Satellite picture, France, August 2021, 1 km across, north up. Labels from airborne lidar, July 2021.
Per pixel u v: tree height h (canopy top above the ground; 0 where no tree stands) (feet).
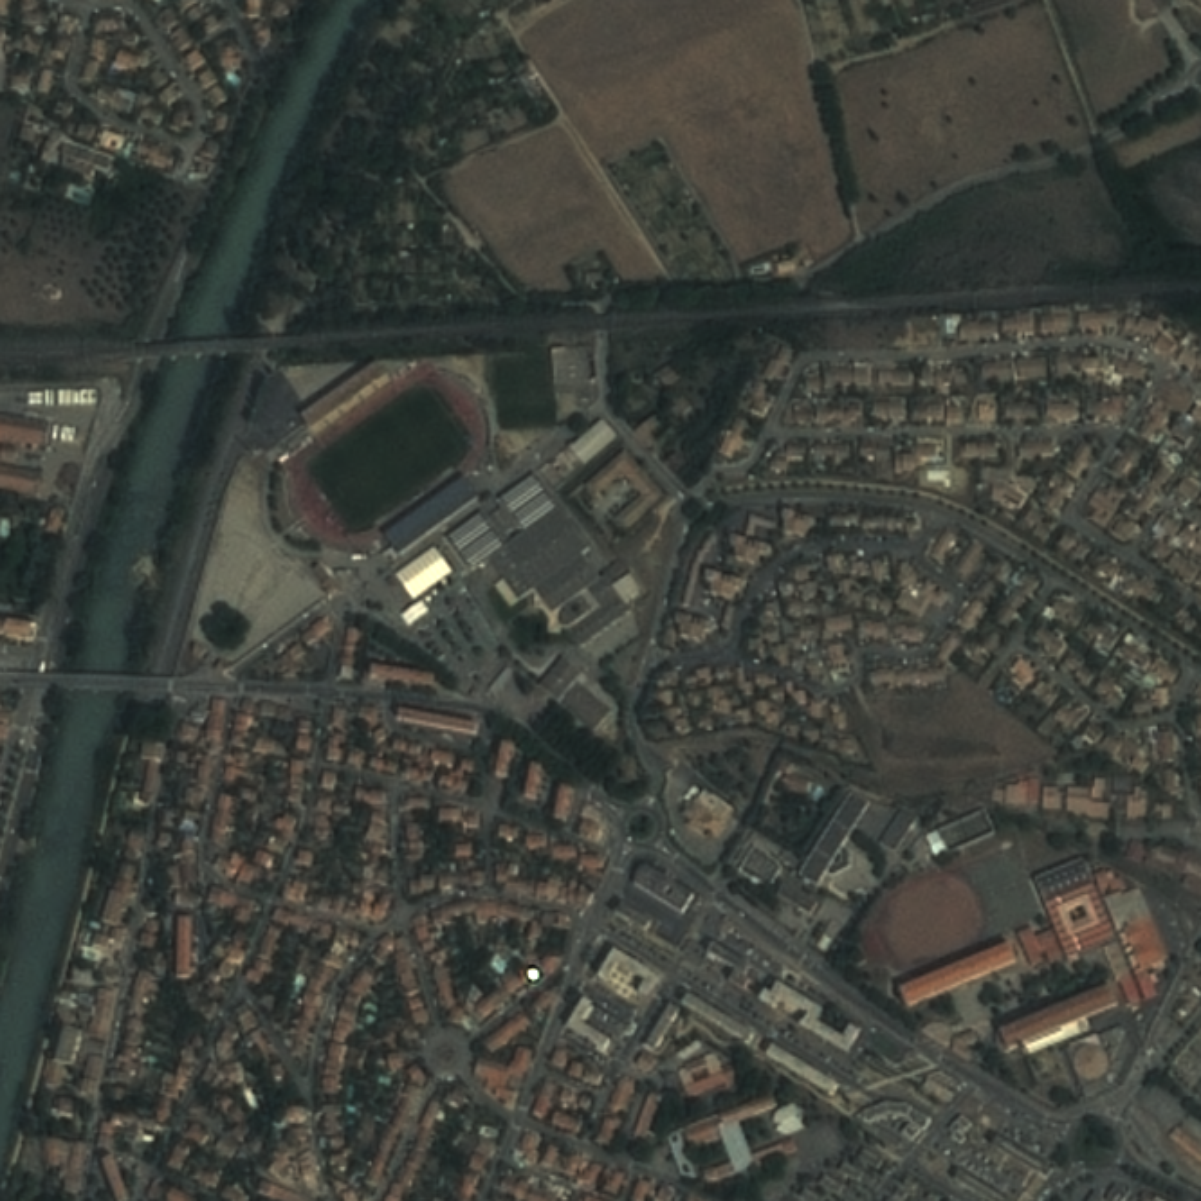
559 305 28
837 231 0
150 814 28
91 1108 29
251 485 0
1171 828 0
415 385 0
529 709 0
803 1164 0
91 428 0
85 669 0
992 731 0
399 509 0
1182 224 0
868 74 0
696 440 30
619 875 0
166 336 18
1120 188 50
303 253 73
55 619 0
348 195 61
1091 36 0
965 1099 0
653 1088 30
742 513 0
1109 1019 0
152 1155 28
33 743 0
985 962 0
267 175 0
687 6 0
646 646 0
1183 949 0
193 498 0
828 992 0
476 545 0
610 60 0
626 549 0
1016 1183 0
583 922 0
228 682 0
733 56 0
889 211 22
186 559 0
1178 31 0
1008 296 0
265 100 37
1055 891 0
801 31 0
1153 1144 0
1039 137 0
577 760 40
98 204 19
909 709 0
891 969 0
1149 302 27
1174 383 0
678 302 53
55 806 0
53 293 0
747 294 53
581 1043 0
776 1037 0
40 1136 33
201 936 0
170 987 31
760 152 0
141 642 61
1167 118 69
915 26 28
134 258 25
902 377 0
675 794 0
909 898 0
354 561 0
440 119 22
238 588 0
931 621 0
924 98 0
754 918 0
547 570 0
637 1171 0
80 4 0
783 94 0
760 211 0
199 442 64
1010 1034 0
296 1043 0
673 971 0
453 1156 22
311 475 0
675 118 0
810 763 34
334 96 71
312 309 37
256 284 38
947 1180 0
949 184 0
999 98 0
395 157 62
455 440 0
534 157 0
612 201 0
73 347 0
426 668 57
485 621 0
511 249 0
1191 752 26
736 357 29
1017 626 30
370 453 0
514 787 33
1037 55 0
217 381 57
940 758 0
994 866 0
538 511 0
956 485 0
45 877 0
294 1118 0
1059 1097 40
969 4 22
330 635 0
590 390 0
